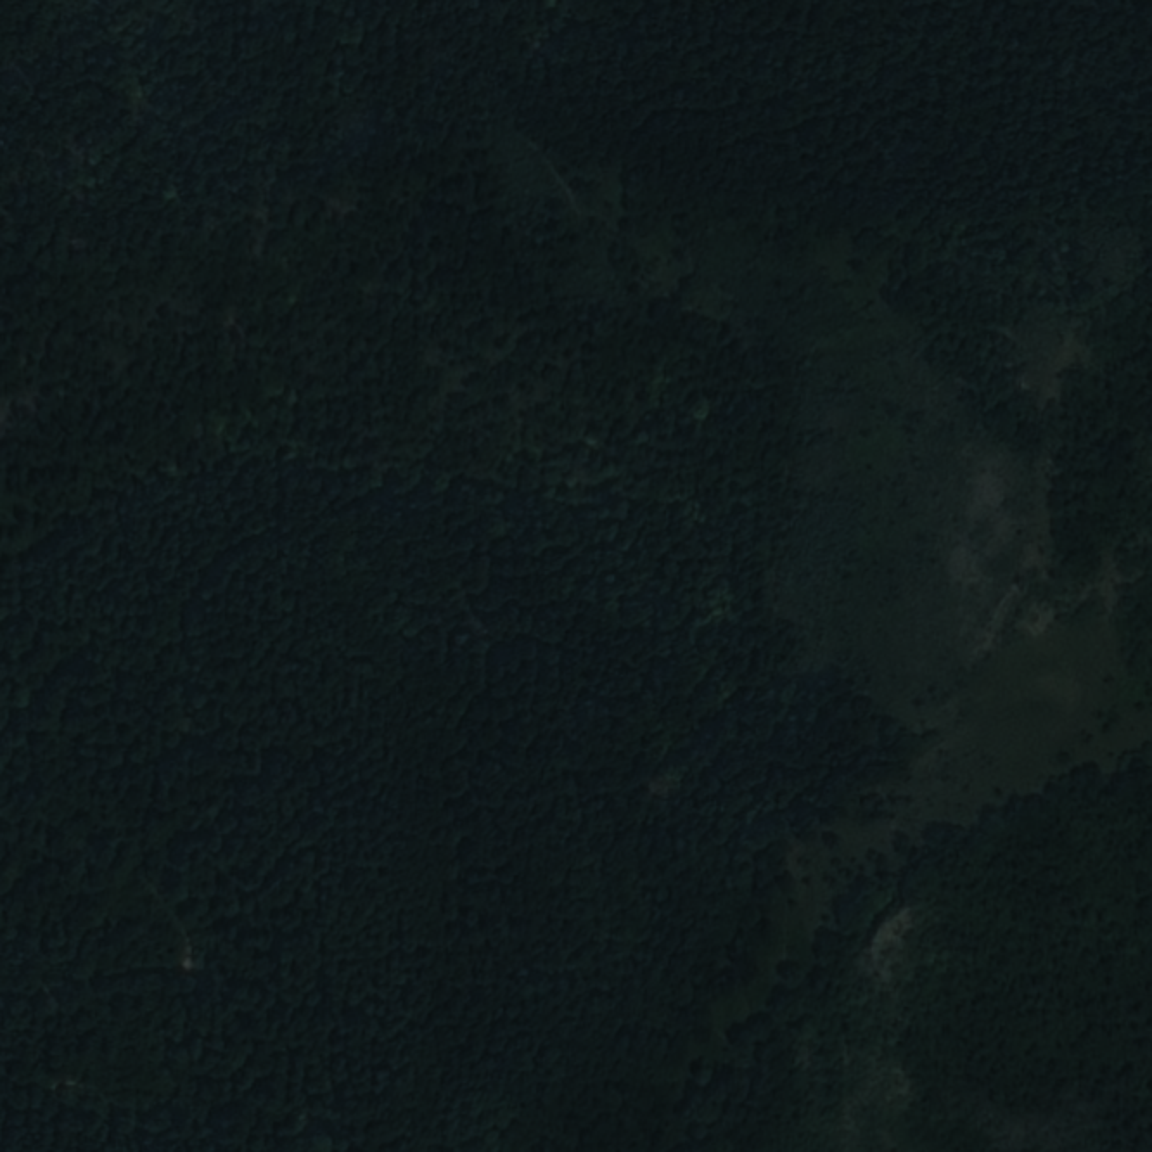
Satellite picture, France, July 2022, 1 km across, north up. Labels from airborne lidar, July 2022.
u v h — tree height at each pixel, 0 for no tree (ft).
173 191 65
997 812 51
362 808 83
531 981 94
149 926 64
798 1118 38
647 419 65
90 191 83
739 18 46
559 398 36
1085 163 38
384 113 53
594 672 111
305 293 31
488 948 79
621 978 62
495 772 87
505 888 82
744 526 75
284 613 92
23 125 85
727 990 77
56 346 64
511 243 66
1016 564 0
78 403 89
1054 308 24
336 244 58
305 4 77
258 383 82
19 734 96
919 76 54
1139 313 52
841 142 57
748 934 70
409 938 110
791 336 24
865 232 76
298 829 109
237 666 102
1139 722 0
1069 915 23
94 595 109
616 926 78
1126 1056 30
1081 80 24
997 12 68
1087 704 0
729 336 56
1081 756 0
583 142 61
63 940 73
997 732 0
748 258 18
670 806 32
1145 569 21
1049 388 0
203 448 96
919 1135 39
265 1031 94
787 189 81
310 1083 110
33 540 45
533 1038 93
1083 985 42
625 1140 100
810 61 35
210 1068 92
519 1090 83
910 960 25
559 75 60
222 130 74
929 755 0
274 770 119
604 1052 87
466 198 82
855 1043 30
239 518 90
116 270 39
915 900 19
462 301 62
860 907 72
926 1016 49
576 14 58
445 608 109
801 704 31
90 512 113
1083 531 25
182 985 75
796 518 26
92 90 100
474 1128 56
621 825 85
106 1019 26
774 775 108
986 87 49
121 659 65
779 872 35
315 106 78
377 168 59
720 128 65
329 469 76
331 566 106
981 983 47
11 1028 82
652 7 95
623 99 78
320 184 54
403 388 55
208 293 62
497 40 77
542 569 93
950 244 38
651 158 61
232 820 98
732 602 36
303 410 63
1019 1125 27
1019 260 76
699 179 68
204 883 105
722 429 72
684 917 75
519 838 90
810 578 27
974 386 50
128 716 83
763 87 69
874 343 0
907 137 22
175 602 72
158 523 113
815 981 49
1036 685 0
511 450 59
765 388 78
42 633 66
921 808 0
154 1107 23
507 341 43
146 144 69
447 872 92
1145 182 81
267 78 104
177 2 25
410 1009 107
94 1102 71
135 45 59
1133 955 20
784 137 66
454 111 56
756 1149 47
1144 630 35
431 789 123
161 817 91
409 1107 95
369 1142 83
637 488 44
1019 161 55
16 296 72
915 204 89
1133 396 69
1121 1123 43
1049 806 53
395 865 113
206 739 22
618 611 92
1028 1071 55
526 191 22
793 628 38
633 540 39
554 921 99
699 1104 87
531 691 85
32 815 96
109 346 29
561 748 94
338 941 109
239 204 43
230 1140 108
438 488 93
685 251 24
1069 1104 29
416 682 101
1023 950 50
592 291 23
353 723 105
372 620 112
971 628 0
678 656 112
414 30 63
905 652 0
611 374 60
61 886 75
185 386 70
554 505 79
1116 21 66
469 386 52
